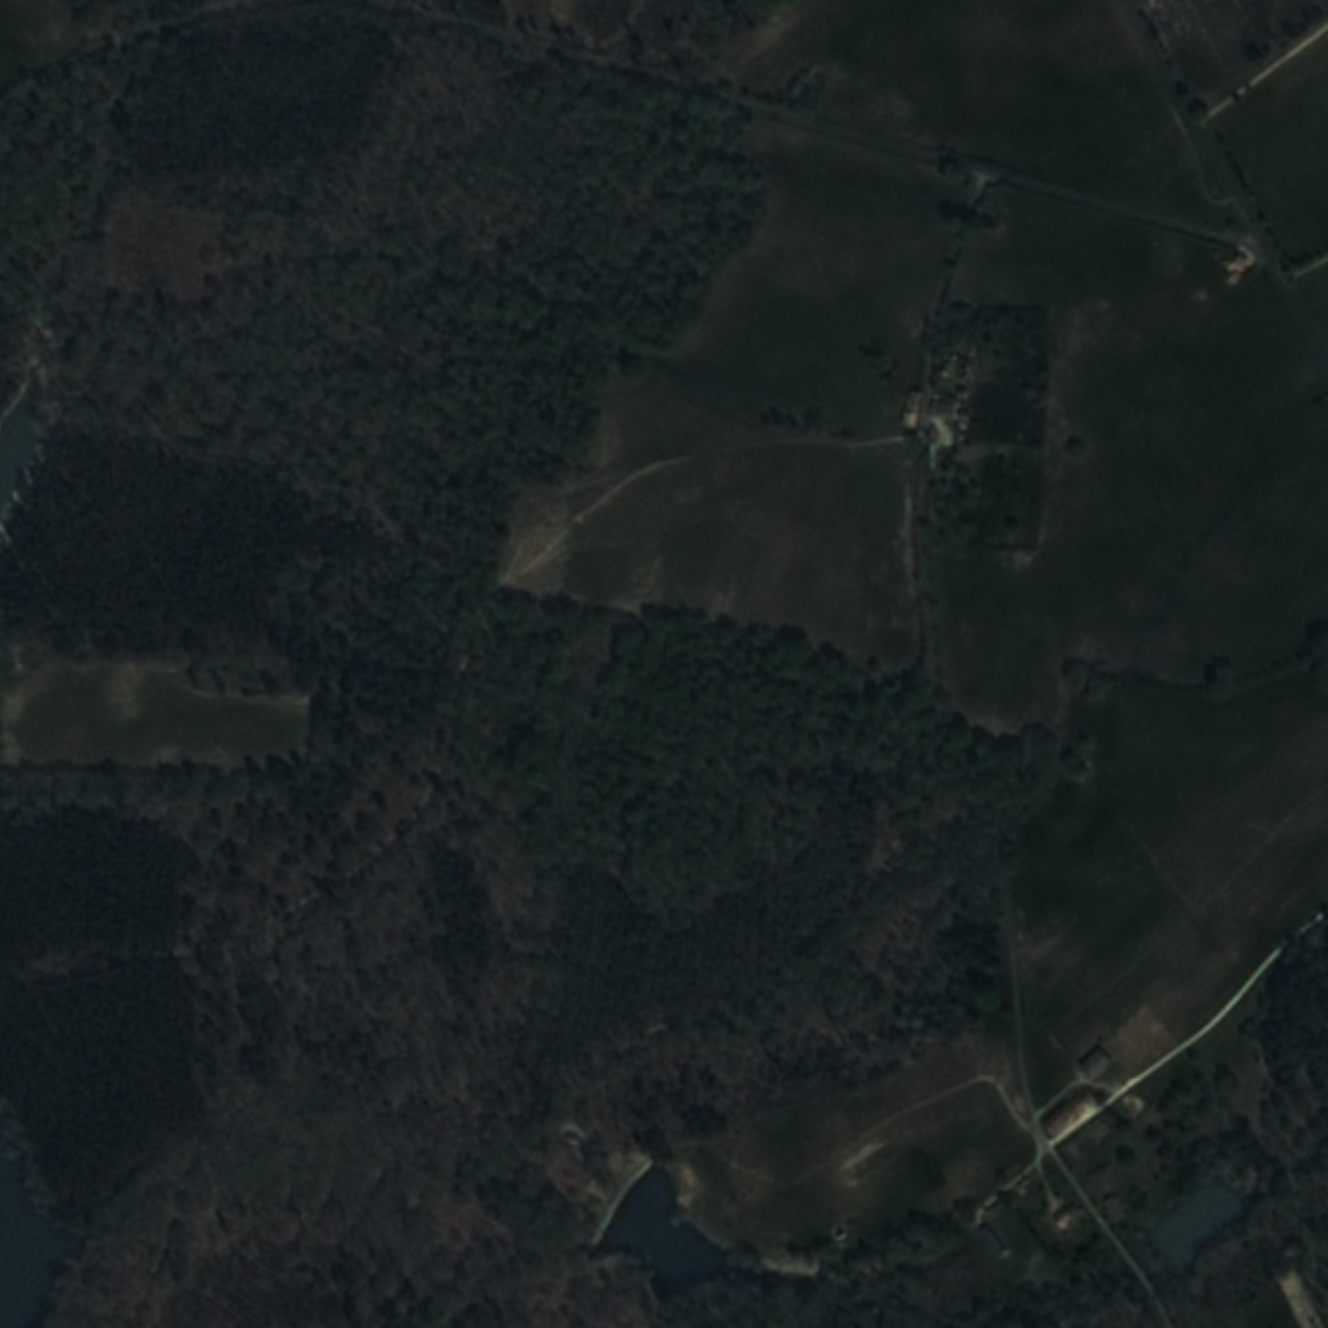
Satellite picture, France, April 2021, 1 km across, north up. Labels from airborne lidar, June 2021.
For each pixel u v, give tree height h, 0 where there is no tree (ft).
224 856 37
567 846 62
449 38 37
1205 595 0
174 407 75
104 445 59
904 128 0
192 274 0
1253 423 0
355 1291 47
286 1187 44
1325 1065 68
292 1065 60
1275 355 0
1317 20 38
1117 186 0
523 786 66
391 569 54
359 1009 61
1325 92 0
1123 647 0
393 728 33
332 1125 65
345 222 70
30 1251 0
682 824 63
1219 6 0
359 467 41
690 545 0
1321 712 0
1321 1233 76
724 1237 0
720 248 53
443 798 58
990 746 57
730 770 61
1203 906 0
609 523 0
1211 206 0
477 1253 34
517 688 41
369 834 49
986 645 0
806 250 0
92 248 47
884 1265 57
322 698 26
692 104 67
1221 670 41
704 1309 63
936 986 50
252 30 39
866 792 62
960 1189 0
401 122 51
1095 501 0
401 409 64
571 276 64
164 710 0
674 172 22
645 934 62
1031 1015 0
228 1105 46
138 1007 54
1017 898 0
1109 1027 0
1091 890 0
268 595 63
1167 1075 0
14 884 53
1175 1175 31
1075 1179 0
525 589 0
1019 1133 0
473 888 66
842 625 0
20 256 63
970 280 0
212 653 67
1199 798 0
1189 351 0
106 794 54
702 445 0
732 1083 28
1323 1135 51
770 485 0
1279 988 33
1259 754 0
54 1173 56
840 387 0
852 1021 31
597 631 38
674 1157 42
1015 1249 0
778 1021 36
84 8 44
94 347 55
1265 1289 23
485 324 25
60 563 64
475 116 42
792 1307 58
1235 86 0
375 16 34
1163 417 0
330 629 38
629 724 75
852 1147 0
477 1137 61
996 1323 37
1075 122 0
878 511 0
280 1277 24
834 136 0
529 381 53
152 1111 60
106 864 58
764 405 0
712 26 45
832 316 0
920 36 0
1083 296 0
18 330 55
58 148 74
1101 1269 27
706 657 56
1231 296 0
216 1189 43
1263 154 0
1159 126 0
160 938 55
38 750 0
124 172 41
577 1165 47
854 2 0
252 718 0
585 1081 54
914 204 0
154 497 65
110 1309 34
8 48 0
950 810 50
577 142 40
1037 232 0
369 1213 43
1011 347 0
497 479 47
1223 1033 0
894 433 0
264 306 61
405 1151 60
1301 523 0
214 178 44
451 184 50
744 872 59
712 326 0
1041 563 0
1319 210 0
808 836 48
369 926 43
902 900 45
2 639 46
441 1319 42
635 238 51
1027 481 0
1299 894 0
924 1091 0
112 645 68
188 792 51
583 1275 57
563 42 61
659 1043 29
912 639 0
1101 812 0
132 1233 40
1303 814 0
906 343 0
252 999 65
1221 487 0
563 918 46
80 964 31
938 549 31
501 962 52
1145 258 0
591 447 54
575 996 47
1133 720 0
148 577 66
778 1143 0
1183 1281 34
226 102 45
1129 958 0
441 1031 44
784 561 0
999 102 0
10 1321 0
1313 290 0
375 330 39
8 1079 61
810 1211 0
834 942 77
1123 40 0
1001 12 0
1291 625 0
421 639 42
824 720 28
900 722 59
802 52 0
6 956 61
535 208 40
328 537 54
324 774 33
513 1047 52
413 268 69
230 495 60
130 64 62
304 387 27
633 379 53
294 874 48
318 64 47
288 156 42
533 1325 45
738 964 53
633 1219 0
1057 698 0
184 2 86
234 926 50
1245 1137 58
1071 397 0
